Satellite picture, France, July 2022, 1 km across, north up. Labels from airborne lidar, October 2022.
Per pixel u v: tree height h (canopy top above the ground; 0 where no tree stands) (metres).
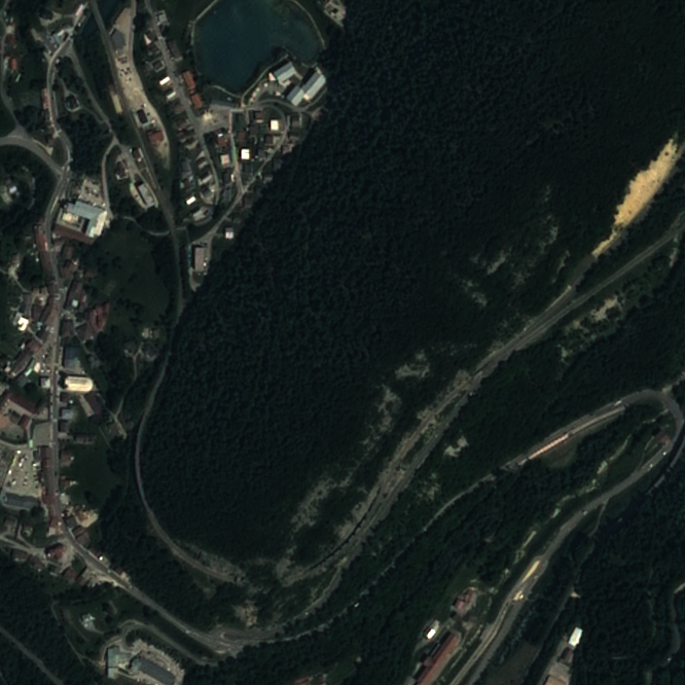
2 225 10
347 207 22
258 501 16
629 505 0
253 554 11
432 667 0
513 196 16
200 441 11
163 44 0
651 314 26
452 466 19
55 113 0
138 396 9
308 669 11
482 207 18
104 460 0
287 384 22
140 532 23
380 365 10
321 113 0
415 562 27
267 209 18
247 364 28
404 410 7
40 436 0
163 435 21
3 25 0
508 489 20
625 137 22
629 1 25
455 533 32
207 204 0
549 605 22
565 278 15
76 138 29
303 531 6
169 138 0
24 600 20
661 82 25
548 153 23
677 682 25
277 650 25
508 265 9
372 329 23
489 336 11
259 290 9
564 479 23
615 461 0
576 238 21
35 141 0
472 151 19
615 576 12
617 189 25
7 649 23
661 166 0
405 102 27
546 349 17
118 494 17
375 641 31
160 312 0
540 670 14
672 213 23
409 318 18
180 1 0
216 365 22
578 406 25
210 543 9
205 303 22
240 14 0
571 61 21
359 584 21
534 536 0
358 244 26
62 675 15
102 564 0
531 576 0
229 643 0
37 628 23
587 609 12
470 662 0
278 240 15
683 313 25
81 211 0
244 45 0
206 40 0
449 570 21
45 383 0
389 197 17
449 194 20
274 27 0
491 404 24
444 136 16
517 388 26
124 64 0
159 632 0
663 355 25
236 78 0
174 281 9
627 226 0
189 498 18
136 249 0
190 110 0
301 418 19
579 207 28
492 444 24
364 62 31
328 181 21
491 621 0
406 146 18
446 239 21
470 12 30
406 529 16
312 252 7
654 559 9
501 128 19
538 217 15
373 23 19
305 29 0
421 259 17
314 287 17
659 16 25
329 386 22
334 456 11
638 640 14
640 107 22
